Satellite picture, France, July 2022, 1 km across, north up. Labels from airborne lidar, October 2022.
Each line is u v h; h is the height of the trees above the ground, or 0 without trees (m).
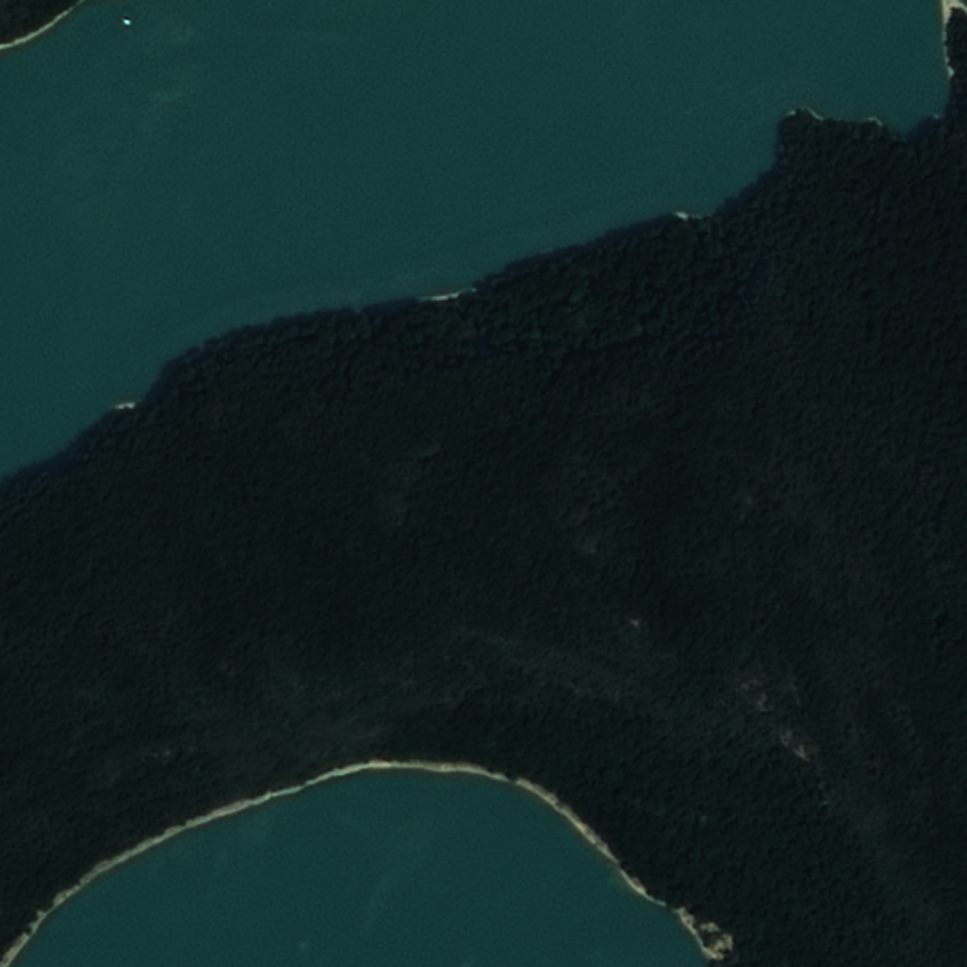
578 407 18
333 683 10
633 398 10
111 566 21
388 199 0
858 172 32
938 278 26
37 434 0
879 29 0
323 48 0
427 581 16
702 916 25
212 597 15
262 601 17
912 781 8
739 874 18
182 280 0
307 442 10
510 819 0
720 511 8
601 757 12
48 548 12
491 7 0
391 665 8
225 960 0
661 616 14
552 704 9
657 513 22
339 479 14
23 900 14
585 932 0
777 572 8
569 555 12
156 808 11
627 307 26
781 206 13
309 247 0
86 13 0
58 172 0
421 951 0
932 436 15
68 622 11
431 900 0
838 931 9
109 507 12
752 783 18
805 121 12
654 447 16
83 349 0
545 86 0
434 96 0
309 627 13
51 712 14
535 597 14
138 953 0
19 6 15
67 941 0
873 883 13
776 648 6
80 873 11
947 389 32
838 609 6
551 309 26
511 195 0
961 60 21
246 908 0
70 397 0
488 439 21
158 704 15
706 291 32
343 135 0
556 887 0
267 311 0
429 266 0
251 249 0
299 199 0
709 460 14
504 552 14
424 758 7
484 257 0
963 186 28
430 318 26
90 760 12
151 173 0
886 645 9
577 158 0
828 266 15
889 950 13
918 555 13
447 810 0
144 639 10
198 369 12
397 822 0
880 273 30
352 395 15
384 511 10
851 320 17
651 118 0
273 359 14
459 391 14
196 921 0
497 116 0
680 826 14
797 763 14
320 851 0
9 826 12
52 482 7
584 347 13
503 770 9
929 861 11
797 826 17
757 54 0
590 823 13
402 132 0
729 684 6
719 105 0
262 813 0
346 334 30
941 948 7
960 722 10
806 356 20
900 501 19
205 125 0
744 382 14
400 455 11
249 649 22
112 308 0
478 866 0
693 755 10
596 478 9
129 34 0
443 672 8
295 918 0
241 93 0
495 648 8
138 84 0
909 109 0
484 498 13
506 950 0
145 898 0
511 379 16
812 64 0
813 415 8
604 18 0
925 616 16
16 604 17
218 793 8
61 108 0
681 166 0
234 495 15
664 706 7
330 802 0
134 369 0
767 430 11
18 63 0
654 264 32
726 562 11
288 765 10
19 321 0
